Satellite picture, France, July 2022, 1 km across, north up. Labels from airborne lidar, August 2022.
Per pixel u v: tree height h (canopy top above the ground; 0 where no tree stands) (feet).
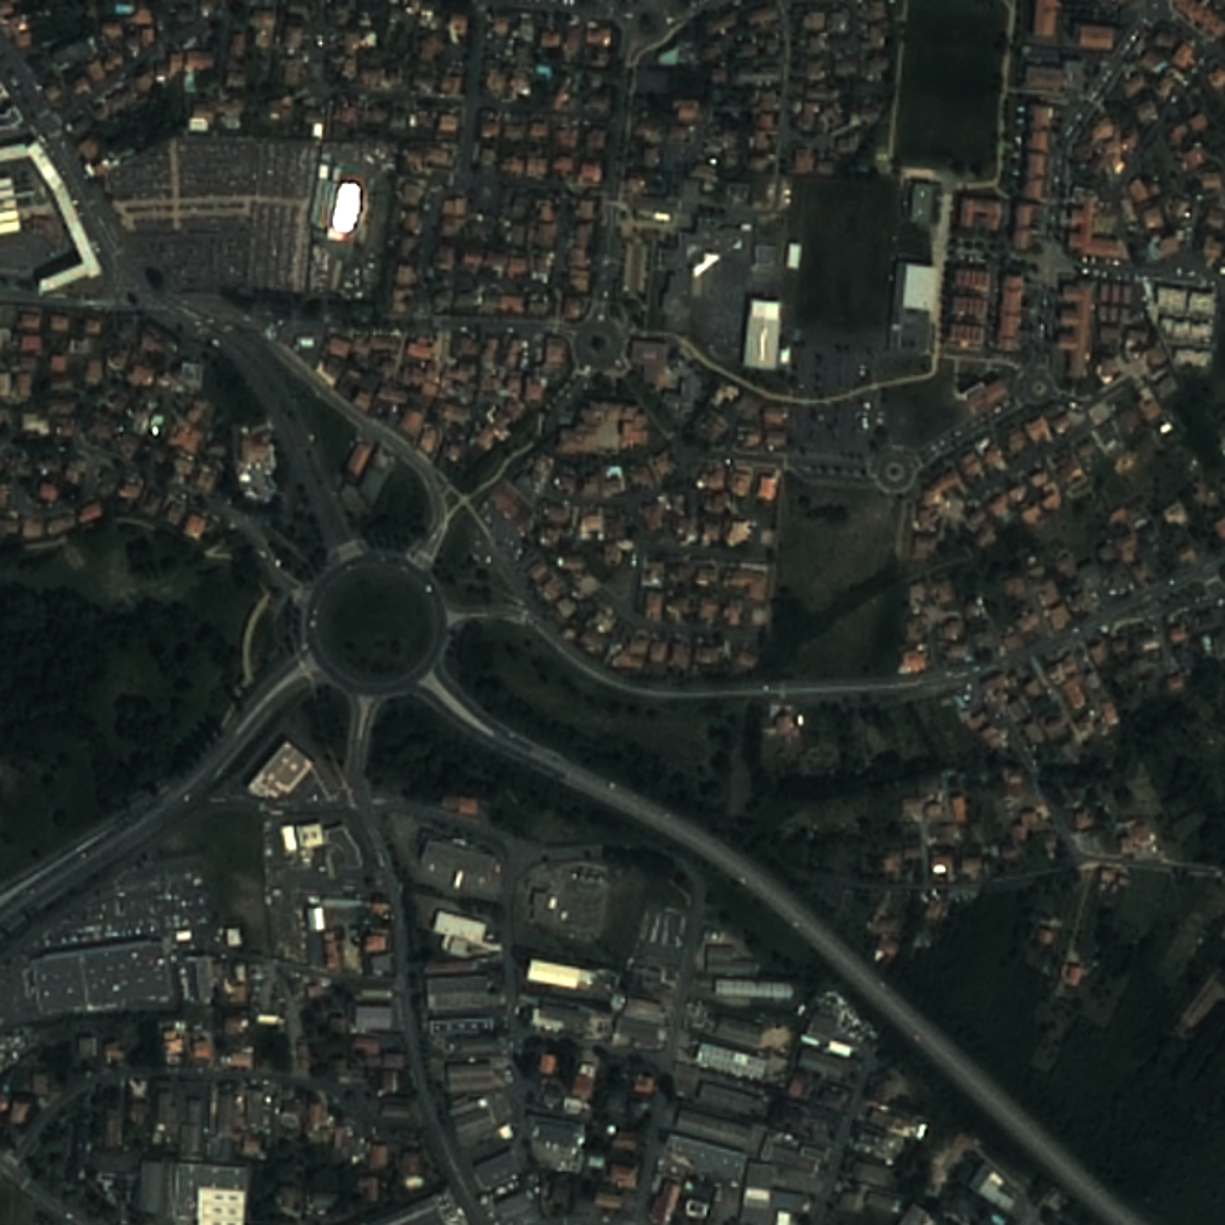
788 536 0
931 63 0
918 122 0
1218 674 25
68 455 38
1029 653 0
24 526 0
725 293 0
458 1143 0
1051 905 0
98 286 0
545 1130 0
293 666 0
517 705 20
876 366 0
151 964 0
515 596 0
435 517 0
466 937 0
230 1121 0
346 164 0
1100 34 0
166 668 44
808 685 0
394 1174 23
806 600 0
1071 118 0
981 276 0
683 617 18
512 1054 0
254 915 0
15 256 0
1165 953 0
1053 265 0
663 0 0
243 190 0
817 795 52
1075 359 0
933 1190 0
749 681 21
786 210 0
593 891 0
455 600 0
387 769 23
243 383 26
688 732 0
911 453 0
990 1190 0
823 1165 33
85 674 44
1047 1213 44
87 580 0
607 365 0
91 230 0
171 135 18
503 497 0
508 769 31
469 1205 0
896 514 0
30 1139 0
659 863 60
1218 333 0
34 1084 0
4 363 21
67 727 35
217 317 0
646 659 19
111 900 0
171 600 0
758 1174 0
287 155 0
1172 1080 31
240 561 35
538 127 0
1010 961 27
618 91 32
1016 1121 0
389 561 0
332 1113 31
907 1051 31
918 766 36
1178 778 39
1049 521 0
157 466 28
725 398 24
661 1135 20
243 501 33
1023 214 0
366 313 36
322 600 0
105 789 41
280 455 40
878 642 0
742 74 0
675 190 25
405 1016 0
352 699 0
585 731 0
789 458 0
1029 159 0
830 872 22
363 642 0
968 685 0
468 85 23
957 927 22
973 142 0
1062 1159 0
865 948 18
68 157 0
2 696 48
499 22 0
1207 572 0
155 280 73
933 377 0
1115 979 27
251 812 0
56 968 0
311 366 0
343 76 26
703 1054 0
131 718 37
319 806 0
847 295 0
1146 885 0
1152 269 0
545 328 0
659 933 0
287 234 0
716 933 0
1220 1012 42
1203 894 0
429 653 0
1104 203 0
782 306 0
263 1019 0
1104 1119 22
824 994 0
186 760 85
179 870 0
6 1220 0
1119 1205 0
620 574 0
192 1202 0
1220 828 45
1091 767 32
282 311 31
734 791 0
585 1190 36
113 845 0
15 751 18
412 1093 29
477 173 29
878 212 0
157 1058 28
